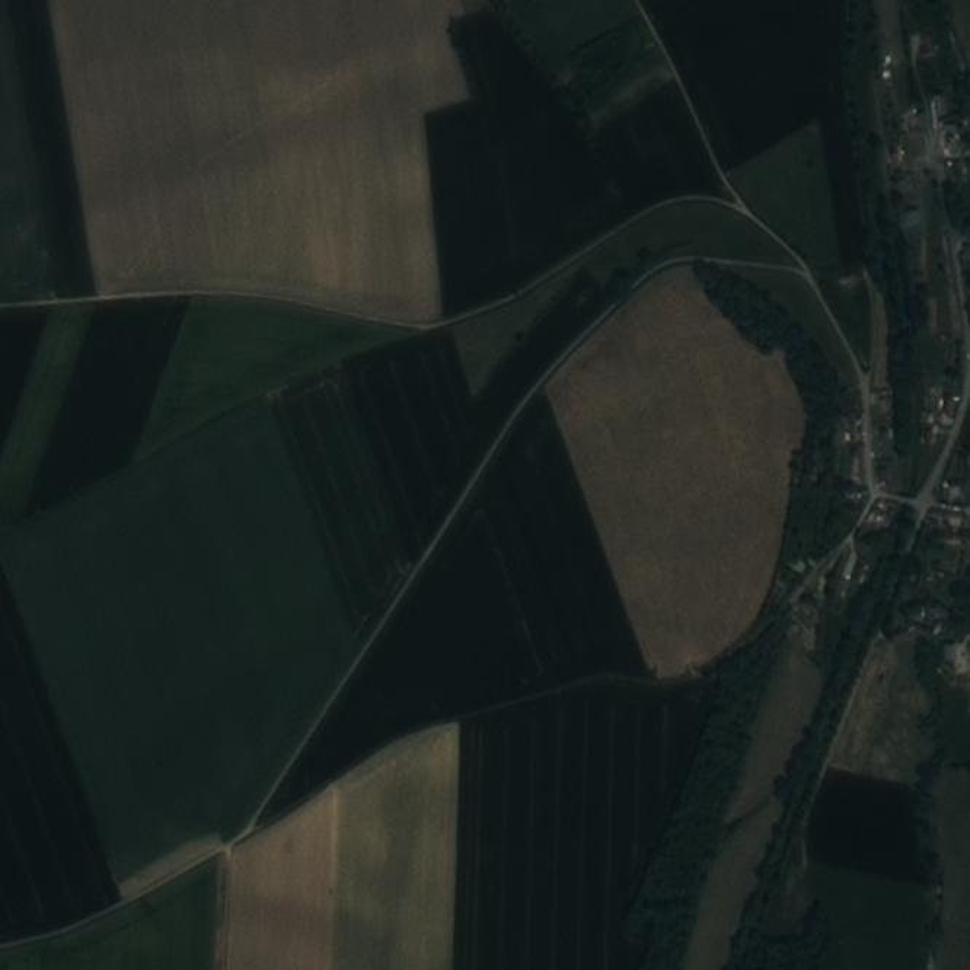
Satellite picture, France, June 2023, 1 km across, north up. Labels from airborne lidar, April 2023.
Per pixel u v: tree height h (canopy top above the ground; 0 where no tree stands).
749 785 0
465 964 0
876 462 0
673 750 0
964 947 0
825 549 7
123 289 0
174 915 0
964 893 0
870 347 0
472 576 0
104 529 0
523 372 0
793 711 0
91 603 0
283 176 0
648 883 8
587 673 0
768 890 7
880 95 0
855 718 0
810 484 7
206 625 0
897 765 0
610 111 0
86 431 0
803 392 15
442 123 0
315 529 0
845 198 0
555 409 0
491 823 0
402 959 0
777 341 15
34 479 0
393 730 0
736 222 0
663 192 0
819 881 0
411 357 0
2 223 0
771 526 0
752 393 0
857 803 0
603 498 0
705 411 0
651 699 0
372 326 0
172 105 0
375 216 0
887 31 0
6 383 0
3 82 0
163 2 0
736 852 0
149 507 0
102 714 0
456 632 0
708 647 0
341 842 0
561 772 0
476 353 0
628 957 0
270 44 0
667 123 0
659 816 0
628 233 0
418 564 0
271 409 0
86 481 0
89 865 0
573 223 0
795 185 0
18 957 0
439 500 0
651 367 0
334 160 0
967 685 0
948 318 0
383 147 0
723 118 0
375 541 0
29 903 0
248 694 0
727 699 17
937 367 0
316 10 0
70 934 0
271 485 0
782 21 0
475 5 0
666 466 0
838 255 0
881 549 10
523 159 0
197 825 0
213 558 0
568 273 0
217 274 0
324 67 0
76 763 0
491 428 0
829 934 16
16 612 0
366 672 0
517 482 0
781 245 0
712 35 0
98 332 0
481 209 0
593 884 0
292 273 0
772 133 0
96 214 0
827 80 0
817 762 6
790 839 13
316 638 0
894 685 0
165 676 0
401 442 0
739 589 0
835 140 0
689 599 0
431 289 0
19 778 0
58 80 0
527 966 0
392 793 0
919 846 0
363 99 0
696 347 0
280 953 0
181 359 0
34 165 0
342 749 0
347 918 0
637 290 0
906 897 0
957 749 0
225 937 0
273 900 0
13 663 0
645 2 0
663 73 0
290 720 0
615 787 0
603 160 10
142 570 0
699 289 0
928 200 0
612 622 0
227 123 0
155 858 0
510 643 0
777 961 17
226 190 0
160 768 0
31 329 0
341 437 0
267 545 0
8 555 0
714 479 0
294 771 0
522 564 0
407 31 0
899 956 0
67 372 0
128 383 0
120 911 0
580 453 0
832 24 0
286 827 0
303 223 0
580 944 0
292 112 0
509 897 0
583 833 0
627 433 0
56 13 0
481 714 0
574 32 0
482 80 0
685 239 0
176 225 0
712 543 0
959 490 0
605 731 0
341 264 0
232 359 0
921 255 0
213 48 0
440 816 0
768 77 0
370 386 0
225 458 0
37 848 0
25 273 0
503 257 0
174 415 0
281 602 0
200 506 0
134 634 0
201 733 0
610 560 0
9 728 0
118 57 0
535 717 0
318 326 0
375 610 0
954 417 0
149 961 0
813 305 0
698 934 0
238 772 0
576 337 0
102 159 0
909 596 0
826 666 0
